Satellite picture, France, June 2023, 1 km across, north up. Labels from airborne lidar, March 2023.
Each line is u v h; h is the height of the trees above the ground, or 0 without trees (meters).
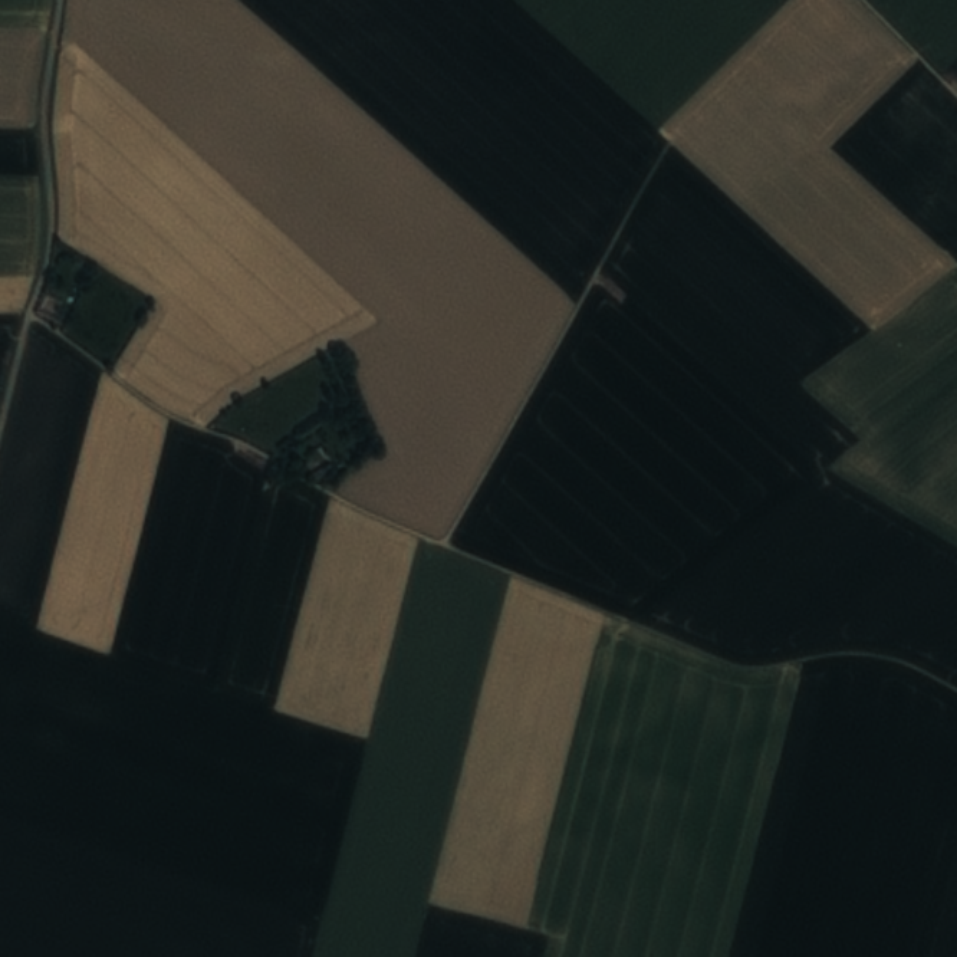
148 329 0
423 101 0
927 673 0
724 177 0
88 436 0
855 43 0
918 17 0
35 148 0
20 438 0
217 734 0
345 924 0
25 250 0
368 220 0
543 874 0
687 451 0
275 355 0
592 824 0
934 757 0
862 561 0
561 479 0
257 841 0
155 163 0
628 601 0
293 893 0
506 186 0
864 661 0
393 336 0
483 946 0
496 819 0
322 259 0
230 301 0
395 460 0
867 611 0
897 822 0
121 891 0
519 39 0
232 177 0
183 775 0
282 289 0
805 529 0
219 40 0
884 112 0
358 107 0
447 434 0
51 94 0
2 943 0
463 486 0
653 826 0
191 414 0
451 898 0
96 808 0
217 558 0
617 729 0
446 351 0
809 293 0
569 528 0
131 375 0
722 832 0
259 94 0
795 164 0
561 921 0
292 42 0
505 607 0
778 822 0
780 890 0
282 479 12
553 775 0
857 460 0
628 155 0
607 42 0
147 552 0
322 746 0
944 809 0
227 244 0
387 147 0
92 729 0
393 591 0
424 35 0
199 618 0
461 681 0
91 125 0
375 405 0
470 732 0
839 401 0
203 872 0
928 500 0
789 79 0
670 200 0
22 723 0
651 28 0
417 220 0
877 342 0
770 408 0
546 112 0
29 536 0
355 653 0
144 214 0
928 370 0
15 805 0
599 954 0
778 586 0
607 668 0
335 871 0
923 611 0
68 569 0
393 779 0
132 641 0
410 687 0
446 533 0
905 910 0
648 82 0
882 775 0
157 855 0
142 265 0
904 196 0
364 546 0
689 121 0
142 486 0
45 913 0
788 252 0
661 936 0
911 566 0
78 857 0
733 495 0
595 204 0
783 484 0
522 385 0
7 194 0
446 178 0
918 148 0
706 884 0
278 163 0
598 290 0
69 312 14
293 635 0
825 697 0
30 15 0
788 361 0
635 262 0
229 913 0
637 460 0
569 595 0
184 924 0
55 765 0
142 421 0
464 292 0
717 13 0
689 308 0
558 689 0
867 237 0
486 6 0
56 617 0
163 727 0
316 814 0
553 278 0
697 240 0
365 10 0
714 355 0
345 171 0
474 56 0
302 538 0
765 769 0
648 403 0
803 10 0
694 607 0
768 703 0
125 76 0
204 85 0
